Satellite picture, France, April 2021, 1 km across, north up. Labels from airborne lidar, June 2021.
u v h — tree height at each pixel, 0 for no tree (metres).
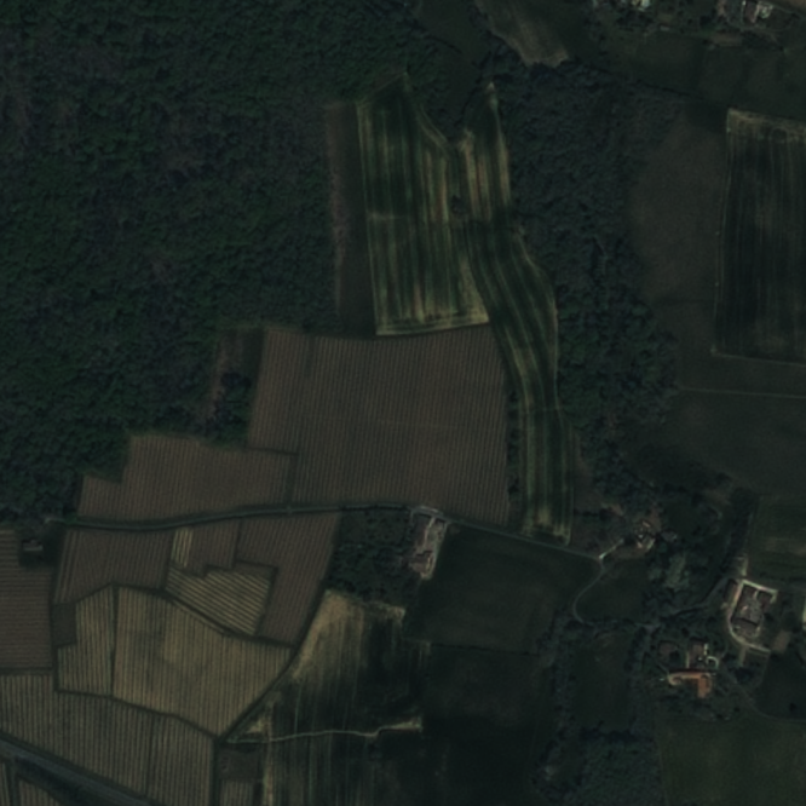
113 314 22
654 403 15
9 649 0
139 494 0
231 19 21
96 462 22
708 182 0
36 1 23
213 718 0
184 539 0
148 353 23
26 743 0
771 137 0
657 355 5
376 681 0
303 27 20
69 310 19
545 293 0
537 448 0
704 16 0
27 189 23
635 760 19
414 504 0
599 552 18
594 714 0
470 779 0
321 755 0
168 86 20
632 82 12
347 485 0
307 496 0
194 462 0
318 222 20
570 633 17
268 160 22
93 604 0
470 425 0
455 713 0
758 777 0
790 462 0
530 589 0
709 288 0
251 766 0
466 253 0
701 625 10
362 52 27
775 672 0
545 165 19
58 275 17
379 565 9
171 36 16
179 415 25
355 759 0
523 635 0
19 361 25
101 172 18
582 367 21
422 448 0
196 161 19
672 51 0
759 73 0
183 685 0
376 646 0
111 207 21
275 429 0
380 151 0
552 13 0
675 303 0
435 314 0
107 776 0
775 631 0
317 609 0
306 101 18
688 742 0
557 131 17
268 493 0
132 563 0
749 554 0
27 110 16
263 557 0
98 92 24
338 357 0
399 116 0
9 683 0
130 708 0
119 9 20
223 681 0
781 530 0
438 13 0
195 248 25
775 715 0
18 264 25
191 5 19
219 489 0
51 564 0
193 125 13
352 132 0
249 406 21
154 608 0
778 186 0
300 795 0
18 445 16
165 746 0
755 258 0
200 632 0
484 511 0
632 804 15
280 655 0
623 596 0
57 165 21
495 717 0
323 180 19
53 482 20
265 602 0
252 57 23
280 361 0
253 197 21
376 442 0
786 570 0
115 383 26
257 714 0
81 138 17
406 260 0
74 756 0
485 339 0
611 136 12
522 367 0
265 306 23
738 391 0
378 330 0
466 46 0
